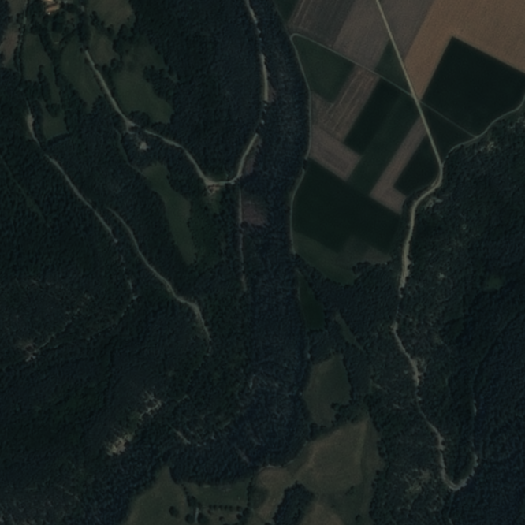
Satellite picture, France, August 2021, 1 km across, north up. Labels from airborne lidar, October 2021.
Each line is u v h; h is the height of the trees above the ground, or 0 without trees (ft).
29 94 54
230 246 33
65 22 22
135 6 41
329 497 0
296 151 27
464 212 54
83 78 0
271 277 61
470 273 44
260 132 60
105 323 84
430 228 24
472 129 0
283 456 40
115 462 73
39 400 63
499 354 45
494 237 89
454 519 64
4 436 70
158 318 94
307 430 56
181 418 49
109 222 50
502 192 49
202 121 62
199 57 54
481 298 48
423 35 0
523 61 0
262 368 63
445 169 29
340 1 0
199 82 63
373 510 41
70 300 58
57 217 36
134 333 62
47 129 0
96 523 59
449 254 40
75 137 55
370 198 0
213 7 54
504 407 76
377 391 48
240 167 0
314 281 53
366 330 53
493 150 24
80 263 49
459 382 75
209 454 69
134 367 51
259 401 58
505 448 63
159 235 67
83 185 66
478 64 0
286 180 37
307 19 0
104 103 45
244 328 58
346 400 0
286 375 25
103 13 0
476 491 68
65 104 37
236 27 51
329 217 0
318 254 0
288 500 52
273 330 52
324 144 0
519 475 71
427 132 0
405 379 50
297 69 30
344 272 0
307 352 48
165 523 0
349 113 0
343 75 0
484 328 52
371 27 0
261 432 37
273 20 60
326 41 0
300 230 0
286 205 49
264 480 0
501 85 0
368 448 0
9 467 78
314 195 0
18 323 43
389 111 0
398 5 0
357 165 0
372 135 0
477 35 0
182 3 50
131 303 24
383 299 52
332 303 54
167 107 0
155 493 0
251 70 32
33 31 40
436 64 0
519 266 76
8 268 57
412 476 32
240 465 70
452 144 0
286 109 21
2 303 56
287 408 29
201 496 0
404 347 52
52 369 82
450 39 0
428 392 78
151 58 0
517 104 0
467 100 0
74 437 62
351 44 0
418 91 0
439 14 0
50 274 72
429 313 30
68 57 0
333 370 0
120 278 31
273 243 61
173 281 41
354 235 0
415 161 0
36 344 55
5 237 75
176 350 83
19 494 54
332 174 0
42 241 62
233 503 0
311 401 0
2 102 69
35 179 56
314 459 0
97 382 65
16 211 34
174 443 76
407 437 47
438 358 52
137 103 0
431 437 40
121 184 54
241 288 38
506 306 69
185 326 66
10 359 79
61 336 65
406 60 0
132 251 74
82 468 42
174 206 0
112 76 40
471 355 59
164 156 43
